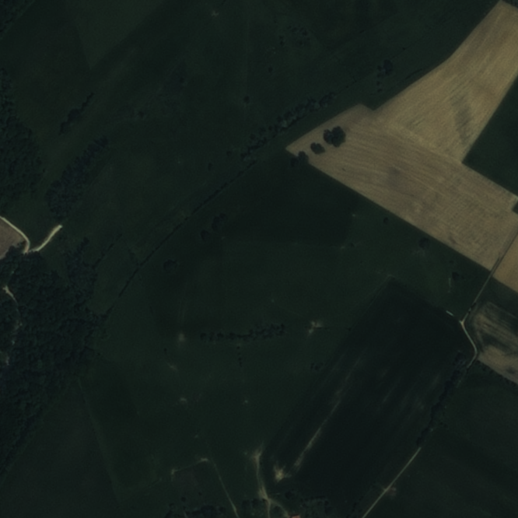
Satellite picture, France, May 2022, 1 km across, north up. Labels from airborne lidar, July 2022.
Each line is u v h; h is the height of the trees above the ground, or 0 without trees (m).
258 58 0
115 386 0
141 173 0
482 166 0
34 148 18
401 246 0
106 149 24
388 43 0
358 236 0
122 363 0
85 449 0
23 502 0
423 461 0
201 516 16
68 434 0
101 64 0
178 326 0
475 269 0
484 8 0
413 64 0
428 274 0
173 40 0
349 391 0
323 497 8
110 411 0
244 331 0
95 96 10
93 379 0
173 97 0
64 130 16
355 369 0
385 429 0
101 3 0
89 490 0
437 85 0
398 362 0
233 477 0
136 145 0
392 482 0
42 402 21
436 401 0
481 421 0
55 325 25
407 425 0
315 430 0
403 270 0
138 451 0
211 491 0
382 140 0
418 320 0
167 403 0
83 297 23
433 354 0
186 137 0
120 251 0
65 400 0
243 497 0
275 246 0
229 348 0
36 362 32
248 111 0
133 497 0
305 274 0
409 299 0
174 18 0
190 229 0
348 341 0
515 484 0
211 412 0
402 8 0
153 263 0
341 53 0
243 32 0
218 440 0
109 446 0
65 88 0
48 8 0
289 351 0
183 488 0
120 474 0
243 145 0
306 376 0
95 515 0
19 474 0
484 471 0
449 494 0
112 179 0
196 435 0
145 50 0
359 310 0
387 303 0
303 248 0
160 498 0
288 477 0
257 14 0
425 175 0
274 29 0
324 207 0
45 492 0
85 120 0
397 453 0
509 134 0
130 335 0
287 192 0
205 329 0
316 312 0
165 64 0
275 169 0
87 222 0
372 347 0
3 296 23
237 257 0
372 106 0
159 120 0
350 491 0
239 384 0
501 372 0
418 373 0
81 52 0
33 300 24
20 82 0
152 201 0
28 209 0
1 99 18
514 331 0
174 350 0
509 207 0
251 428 0
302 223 0
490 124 0
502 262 0
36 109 0
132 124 0
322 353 0
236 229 0
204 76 0
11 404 10
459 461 0
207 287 0
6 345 26
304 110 14
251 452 0
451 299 0
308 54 0
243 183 0
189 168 0
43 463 0
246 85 0
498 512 0
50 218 0
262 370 0
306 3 0
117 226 0
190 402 0
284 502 0
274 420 0
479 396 0
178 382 0
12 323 22
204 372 0
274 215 0
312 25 0
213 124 0
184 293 0
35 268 25
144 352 0
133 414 0
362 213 0
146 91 0
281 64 0
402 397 0
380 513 0
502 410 0
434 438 0
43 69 0
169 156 0
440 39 0
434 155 0
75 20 0
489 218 0
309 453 0
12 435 9
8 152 22
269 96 0
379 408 0
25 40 0
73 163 0
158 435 0
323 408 0
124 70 0
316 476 0
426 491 0
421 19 0
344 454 0
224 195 0
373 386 0
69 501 0
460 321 0
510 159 0
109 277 0
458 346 0
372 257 0
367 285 0
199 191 0
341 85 0
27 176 22
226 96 0
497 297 0
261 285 0
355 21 0
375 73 0
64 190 21
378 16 0
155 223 0
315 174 0
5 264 19
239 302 0
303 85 0
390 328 0
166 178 0
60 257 0
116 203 0
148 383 0
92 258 0
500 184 0
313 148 15
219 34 0
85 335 19
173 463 0
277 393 0
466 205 0
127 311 0
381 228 0
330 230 0
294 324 0
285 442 0
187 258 0
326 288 0
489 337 0
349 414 0
